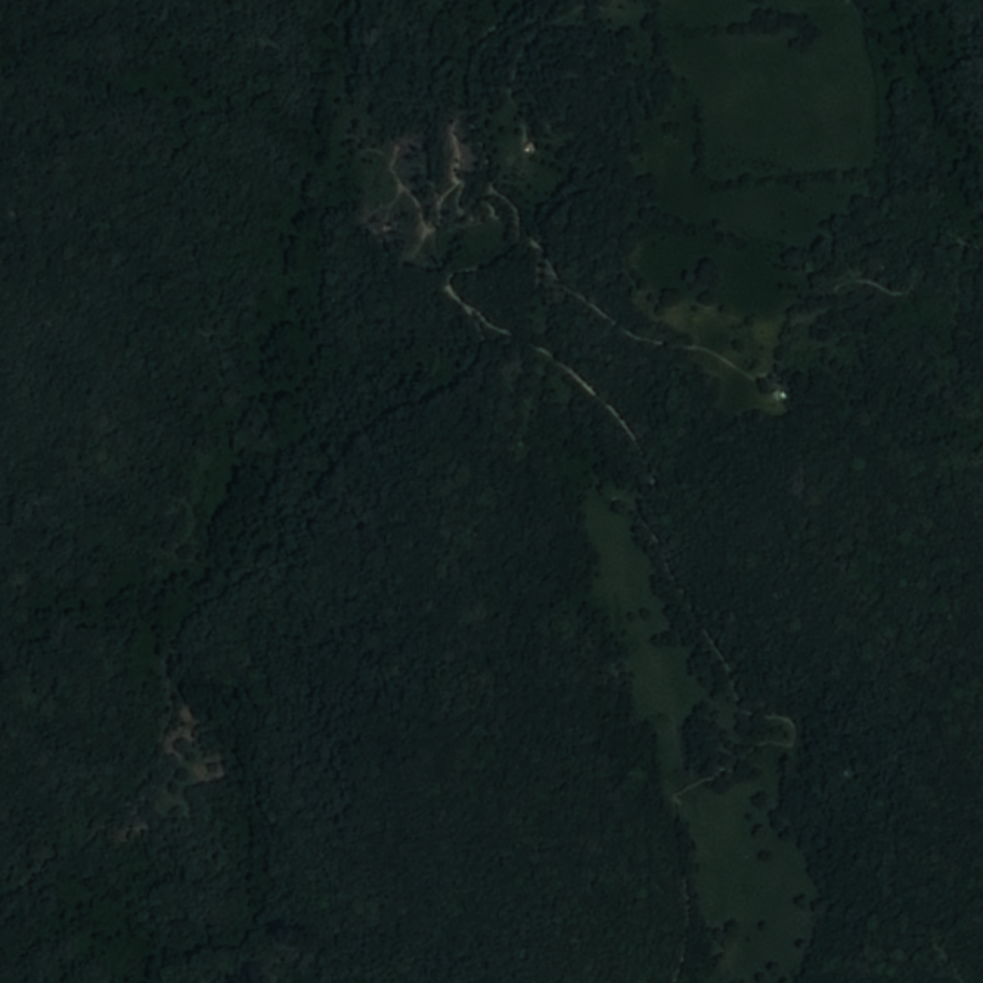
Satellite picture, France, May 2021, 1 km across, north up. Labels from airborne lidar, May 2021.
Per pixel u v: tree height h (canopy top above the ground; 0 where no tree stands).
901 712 9
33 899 12
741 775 9
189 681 23
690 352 7
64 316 13
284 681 14
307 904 13
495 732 11
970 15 18
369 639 14
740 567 11
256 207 9
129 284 12
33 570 14
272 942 10
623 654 11
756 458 8
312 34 10
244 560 10
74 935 10
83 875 13
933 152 12
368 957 17
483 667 12
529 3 12
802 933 0
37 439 8
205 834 11
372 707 16
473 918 14
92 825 13
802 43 12
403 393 11
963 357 13
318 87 12
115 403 8
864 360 12
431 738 14
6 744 14
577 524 11
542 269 14
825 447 9
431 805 11
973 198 20
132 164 11
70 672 18
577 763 17
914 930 9
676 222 10
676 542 14
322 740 13
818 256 11
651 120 11
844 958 9
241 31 12
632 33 18
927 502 14
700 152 10
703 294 7
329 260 10
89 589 20
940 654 9
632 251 11
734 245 9
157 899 17
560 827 9
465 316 10
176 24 13
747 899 0
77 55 12
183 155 16
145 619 12
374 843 11
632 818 7
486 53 8
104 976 18
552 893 8
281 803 16
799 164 0
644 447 10
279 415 15
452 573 10
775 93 0
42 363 15
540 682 9
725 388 0
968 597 12
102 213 12
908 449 12
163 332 15
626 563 0
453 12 11
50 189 15
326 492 18
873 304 11
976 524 18
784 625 9
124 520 15
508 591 9
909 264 10
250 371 10
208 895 12
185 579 17
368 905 16
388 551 8
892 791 9
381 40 14
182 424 10
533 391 14
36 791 12
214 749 10
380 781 10
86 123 16
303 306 10
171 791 8
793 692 8
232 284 9
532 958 12
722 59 0
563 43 9
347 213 12
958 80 17
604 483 8
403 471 11
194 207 9
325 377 10
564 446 8
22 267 11
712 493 10
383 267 16
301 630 13
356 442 18
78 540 17
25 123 12
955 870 13
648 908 7
